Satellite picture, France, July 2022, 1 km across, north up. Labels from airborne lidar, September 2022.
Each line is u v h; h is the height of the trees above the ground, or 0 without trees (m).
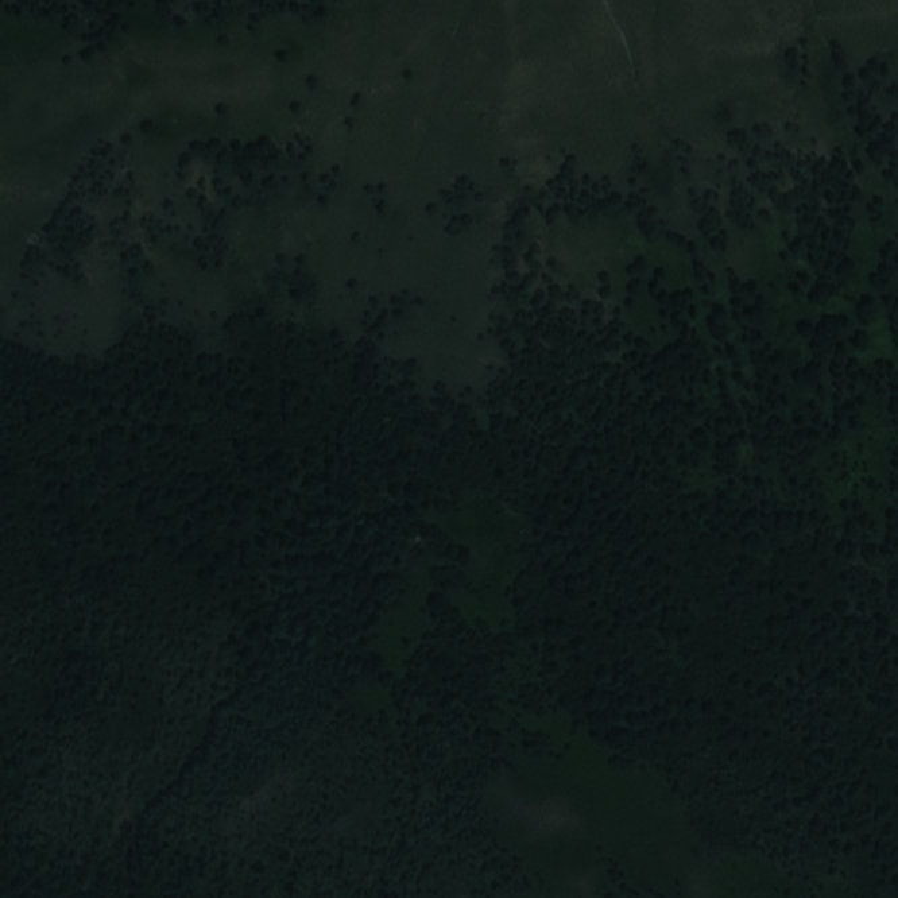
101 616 21
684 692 9
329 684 16
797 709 23
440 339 0
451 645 13
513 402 9
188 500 11
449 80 0
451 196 11
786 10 0
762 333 13
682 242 16
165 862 15
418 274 0
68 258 13
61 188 0
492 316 11
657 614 26
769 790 11
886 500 0
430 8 0
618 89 0
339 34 0
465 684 10
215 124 0
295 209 0
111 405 18
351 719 13
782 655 9
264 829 12
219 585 9
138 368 13
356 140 0
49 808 21
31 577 9
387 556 20
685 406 17
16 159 0
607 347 20
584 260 0
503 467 7
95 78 0
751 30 0
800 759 19
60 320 8
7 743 25
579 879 0
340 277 0
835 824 10
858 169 19
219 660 17
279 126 0
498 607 0
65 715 19
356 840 7
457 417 12
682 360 21
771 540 6
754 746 8
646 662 9
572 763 0
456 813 8
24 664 19
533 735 6
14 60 0
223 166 16
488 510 0
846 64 13
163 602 9
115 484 8
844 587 7
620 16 0
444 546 10
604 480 24
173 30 0
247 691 7
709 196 18
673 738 8
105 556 7
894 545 22
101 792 10
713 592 14
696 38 0
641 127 0
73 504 25
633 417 18
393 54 0
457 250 0
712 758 8
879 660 18
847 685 20
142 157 0
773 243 0
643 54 0
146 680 17
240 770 12
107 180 6
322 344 5
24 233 0
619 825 0
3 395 16
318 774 13
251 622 14
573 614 10
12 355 19
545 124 0
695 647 8
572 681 9
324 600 21
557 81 0
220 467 13
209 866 14
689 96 0
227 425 7
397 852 16
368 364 14
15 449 9
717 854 10
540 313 15
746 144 16
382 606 24
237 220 0
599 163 0
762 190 19
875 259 0
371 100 0
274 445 9
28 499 11
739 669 10
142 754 18
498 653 7
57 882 16
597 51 0
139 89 0
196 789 15
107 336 0
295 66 0
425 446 8
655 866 0
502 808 0
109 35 11
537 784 0
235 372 18
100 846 12
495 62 0
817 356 15
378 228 0
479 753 9
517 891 7
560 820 0
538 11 0
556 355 16
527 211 19
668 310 16
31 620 10
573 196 16
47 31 0
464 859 12
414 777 8
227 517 24
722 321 23
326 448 7
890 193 0
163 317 9
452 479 10
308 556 9
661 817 0
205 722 9
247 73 0
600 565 30
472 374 0
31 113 0
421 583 0
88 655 15
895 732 6
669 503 9
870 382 20
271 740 10
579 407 16
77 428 7
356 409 20
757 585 9
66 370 17
